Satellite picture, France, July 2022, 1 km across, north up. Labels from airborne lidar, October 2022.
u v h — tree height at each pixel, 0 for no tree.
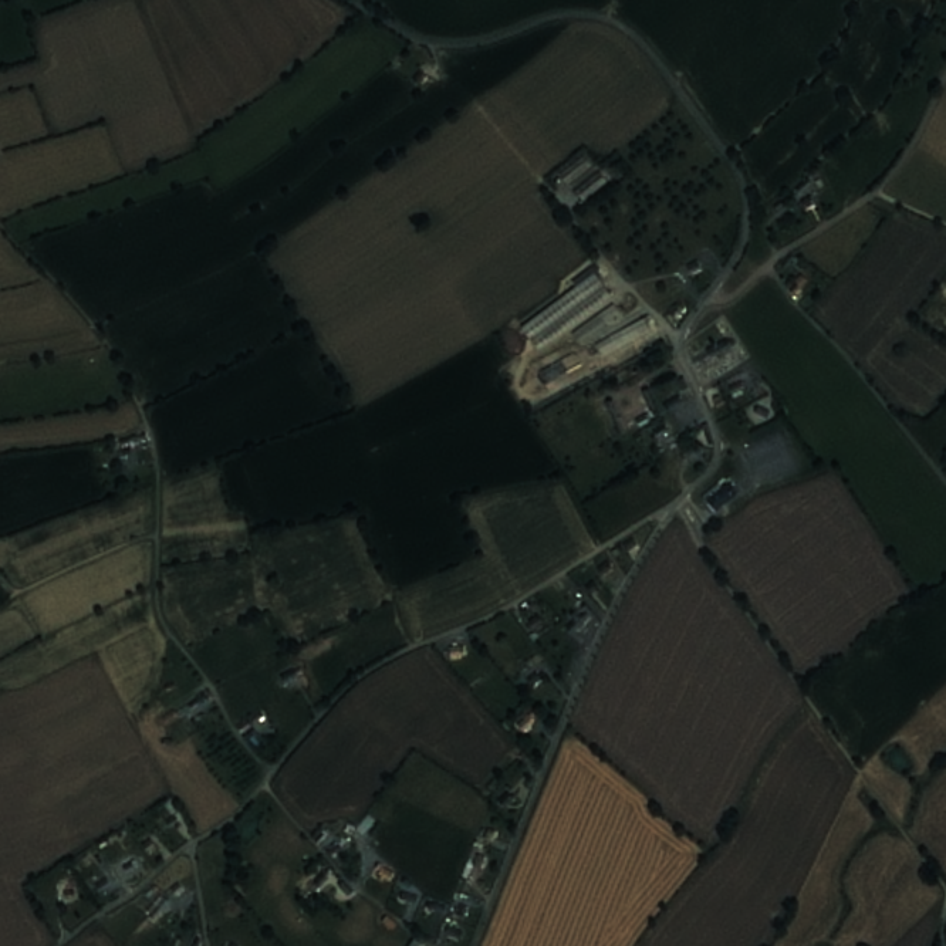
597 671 0
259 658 0
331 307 0
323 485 0
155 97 0
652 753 0
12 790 0
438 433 0
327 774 0
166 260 0
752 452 0
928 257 0
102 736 0
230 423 0
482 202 0
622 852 0
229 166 0
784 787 0
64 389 0
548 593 0
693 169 7
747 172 8
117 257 0
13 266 0
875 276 0
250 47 0
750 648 0
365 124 0
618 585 0
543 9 0
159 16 0
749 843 0
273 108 0
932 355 0
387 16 12
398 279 0
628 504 0
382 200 0
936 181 0
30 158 0
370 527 9
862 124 10
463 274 0
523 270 0
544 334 0
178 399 0
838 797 0
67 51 0
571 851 0
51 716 0
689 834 7
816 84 9
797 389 0
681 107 0
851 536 0
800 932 0
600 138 0
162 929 0
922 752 0
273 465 0
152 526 0
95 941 0
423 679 0
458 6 0
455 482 0
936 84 15
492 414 0
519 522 0
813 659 0
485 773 0
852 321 0
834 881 0
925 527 0
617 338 0
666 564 0
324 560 0
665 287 8
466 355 0
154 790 0
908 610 12
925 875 16
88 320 0
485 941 0
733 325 0
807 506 0
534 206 0
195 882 0
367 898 0
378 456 0
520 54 0
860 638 7
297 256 0
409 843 0
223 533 0
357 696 0
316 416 0
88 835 0
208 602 0
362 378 0
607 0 0
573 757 0
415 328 0
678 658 0
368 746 0
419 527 0
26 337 0
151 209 0
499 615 6
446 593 0
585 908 0
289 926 0
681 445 7
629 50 0
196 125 0
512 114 0
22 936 0
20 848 0
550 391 0
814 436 0
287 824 0
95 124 7
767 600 0
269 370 0
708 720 0
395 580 0
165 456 0
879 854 0
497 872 8
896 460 0
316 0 0
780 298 0
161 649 0
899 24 12
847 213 0
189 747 0
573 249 0
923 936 0
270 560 0
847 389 0
